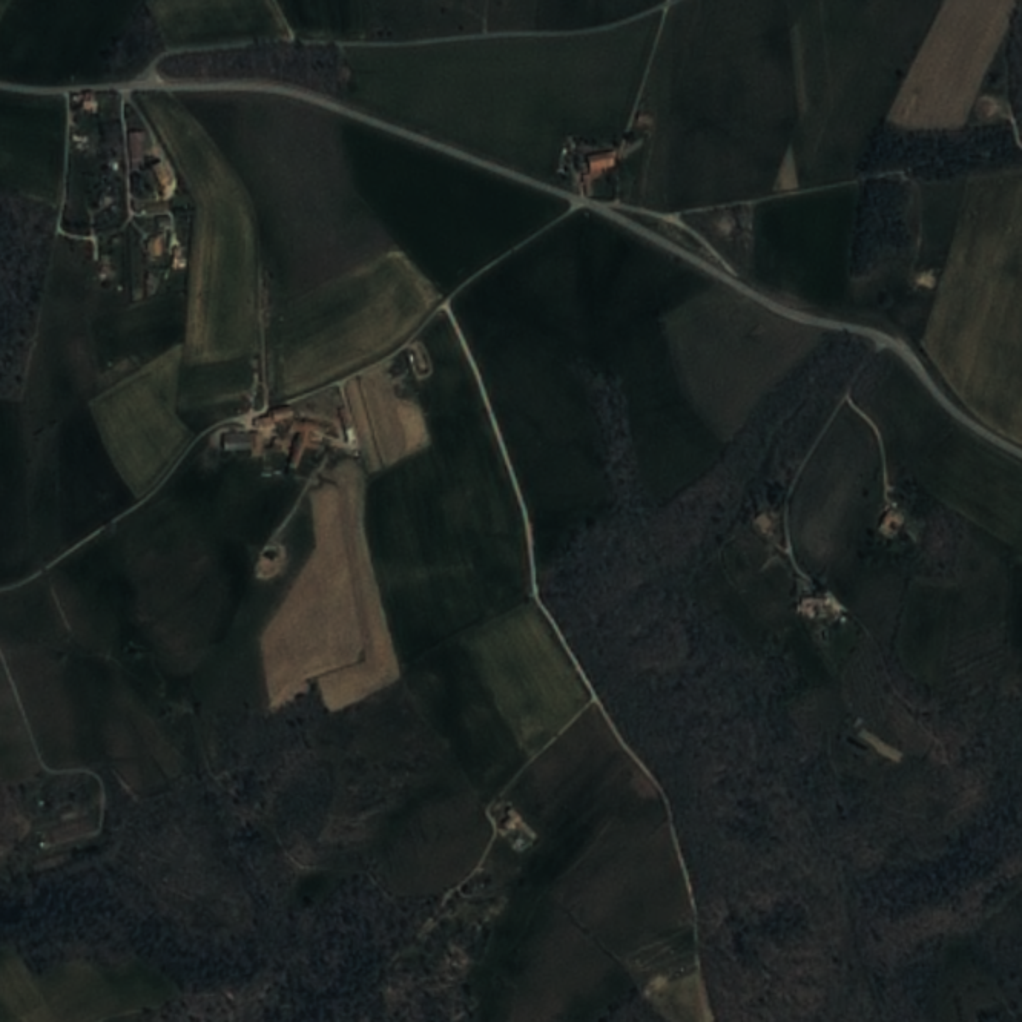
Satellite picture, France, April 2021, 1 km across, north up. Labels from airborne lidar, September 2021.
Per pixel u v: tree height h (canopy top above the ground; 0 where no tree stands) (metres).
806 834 11
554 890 0
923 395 0
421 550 0
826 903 15
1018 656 0
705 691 13
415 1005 13
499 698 0
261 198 0
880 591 0
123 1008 0
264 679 0
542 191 0
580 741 0
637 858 0
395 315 0
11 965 0
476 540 0
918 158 8
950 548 6
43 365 0
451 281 0
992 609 0
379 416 0
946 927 11
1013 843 11
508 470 6
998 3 0
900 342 0
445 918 6
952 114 0
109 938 16
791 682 8
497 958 0
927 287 0
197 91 0
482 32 0
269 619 0
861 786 10
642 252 0
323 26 0
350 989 9
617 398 17
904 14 0
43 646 0
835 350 14
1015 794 13
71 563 0
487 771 0
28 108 0
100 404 0
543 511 0
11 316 14
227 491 0
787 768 12
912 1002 7
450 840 0
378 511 0
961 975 0
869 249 10
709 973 11
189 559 0
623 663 14
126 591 0
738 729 14
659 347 0
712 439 0
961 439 0
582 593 21
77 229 9
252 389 0
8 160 0
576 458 0
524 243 0
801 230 0
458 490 0
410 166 0
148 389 0
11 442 0
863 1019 9
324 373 0
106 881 12
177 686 0
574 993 0
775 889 18
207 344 0
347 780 0
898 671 7
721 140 0
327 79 7
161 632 0
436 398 0
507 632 0
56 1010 0
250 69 14
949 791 9
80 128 0
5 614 0
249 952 7
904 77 8
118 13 0
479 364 0
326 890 0
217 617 0
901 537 9
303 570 0
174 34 0
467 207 0
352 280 0
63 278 0
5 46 0
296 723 6
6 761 0
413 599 0
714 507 13
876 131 7
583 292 0
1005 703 8
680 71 0
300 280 0
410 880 0
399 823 0
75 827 0
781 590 0
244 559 0
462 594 0
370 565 0
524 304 0
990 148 6
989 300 0
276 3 0
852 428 0
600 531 10
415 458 0
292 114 0
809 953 15
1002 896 13
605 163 0
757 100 0
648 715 11
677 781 13
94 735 0
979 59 0
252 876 19
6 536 0
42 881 17
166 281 0
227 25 0
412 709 0
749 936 20
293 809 11
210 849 0
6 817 9
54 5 0
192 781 18
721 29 0
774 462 10
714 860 15
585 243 0
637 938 0
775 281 0
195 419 0
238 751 11
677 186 0
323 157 0
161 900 6
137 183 10
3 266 10
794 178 0
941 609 0
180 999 8
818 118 0
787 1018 16
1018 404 0
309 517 0
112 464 0
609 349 0
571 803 0
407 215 0
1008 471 0
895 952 6
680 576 14
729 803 12
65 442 0
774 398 10
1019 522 0
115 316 0
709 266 0
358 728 0
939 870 12
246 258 0
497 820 0
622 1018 10
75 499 0
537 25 0
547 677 0
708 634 19
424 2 0
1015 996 0
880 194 8
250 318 0
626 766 0
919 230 0
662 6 0
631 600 14
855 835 7
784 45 0
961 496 0
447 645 0
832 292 0
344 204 0
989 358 0
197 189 0
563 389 0
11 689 0
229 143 0
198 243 0
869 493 8
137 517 0
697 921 10
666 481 0
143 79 0
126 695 0
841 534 0
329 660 0
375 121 0
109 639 0
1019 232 0
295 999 12
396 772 0
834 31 0
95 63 0
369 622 0
